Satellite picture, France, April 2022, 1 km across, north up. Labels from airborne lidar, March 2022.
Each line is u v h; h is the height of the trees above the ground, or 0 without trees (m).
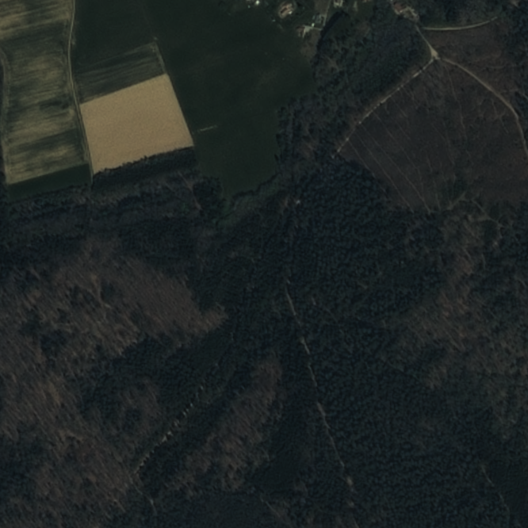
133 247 26
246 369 15
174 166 14
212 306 15
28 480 26
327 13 0
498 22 8
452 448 24
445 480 24
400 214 7
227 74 0
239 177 0
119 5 0
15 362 26
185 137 0
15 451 11
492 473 12
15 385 25
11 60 0
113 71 0
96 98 0
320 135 19
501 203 8
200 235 30
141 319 18
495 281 15
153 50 0
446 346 22
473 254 8
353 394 23
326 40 20
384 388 26
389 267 11
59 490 28
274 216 18
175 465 12
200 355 16
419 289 9
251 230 14
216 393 20
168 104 0
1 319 28
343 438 22
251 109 0
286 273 22
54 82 0
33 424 24
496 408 23
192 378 31
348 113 20
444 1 20
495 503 7
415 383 22
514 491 10
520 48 7
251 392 29
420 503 27
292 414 18
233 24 0
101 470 28
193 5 0
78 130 0
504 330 6
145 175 13
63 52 0
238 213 18
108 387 29
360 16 0
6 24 0
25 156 0
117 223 28
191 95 0
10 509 26
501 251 24
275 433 12
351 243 23
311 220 31
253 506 19
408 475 19
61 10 0
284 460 13
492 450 22
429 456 22
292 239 28
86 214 21
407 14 0
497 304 11
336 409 31
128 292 22
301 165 25
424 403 25
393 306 27
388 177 7
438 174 8
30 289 28
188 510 15
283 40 0
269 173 0
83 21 0
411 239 31
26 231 32
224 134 0
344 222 27
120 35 0
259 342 29
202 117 0
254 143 0
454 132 8
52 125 0
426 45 20
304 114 27
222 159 0
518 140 8
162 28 0
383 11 19
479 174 8
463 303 26
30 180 0
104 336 26
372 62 18
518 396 7
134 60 0
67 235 23
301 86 0
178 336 19
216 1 0
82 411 31
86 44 0
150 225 28
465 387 23
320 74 11
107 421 26
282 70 0
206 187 17
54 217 18
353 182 26
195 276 20
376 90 20
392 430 27
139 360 30
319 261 23
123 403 12
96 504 27
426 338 24
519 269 24
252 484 10
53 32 0
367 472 22
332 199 28
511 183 10
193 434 10
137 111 0
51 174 0
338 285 19
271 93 0
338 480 24
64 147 0
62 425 24
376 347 29
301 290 28
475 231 28
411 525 23
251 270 21
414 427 24
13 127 0
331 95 20
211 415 10
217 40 0
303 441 22
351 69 23
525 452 19
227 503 17
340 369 28
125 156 0
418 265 9
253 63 0
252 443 27
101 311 25
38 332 28
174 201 8
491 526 26
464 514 27
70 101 0
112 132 0
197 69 0
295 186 14
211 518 20
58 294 25
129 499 27
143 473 9
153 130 0
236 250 19
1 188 26
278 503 24
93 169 0
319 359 30
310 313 17
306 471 16
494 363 27
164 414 24
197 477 7
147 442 25
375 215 29
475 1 29
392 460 17
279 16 0
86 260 25
